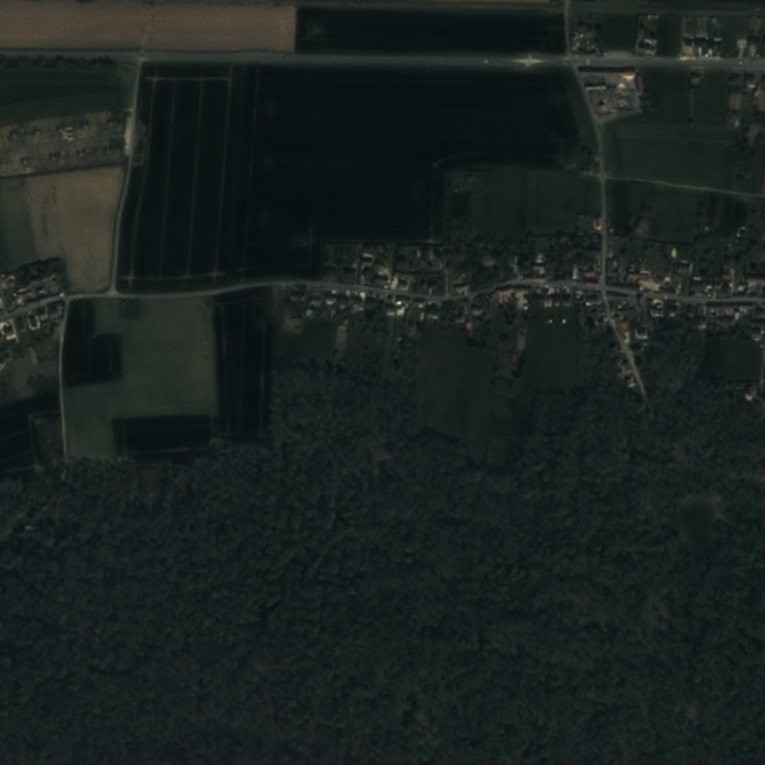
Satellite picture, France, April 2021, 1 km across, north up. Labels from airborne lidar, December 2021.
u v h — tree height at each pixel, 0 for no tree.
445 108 0
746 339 7
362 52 0
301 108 0
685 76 0
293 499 22
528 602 19
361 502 32
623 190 0
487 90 0
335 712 15
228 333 0
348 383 24
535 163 0
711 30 0
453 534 32
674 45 0
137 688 29
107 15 0
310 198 0
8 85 0
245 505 30
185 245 0
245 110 0
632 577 33
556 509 27
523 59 0
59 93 0
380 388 19
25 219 0
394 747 22
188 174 0
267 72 0
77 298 0
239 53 0
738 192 0
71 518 26
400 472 36
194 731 20
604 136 0
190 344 0
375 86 0
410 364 19
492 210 0
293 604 25
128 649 24
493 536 23
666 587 24
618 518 20
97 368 0
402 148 0
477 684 29
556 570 29
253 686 17
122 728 20
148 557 27
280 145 0
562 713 25
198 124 0
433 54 0
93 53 0
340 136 0
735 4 0
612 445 31
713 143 0
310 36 0
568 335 0
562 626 26
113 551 32
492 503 32
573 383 0
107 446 0
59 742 20
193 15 0
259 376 0
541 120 0
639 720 31
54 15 0
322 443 31
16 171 0
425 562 24
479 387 0
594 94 0
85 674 26
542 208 0
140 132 0
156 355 0
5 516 31
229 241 0
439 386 0
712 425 29
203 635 23
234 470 29
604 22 0
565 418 22
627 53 0
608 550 25
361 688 32
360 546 33
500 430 0
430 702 30
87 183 0
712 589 33
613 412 27
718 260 0
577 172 0
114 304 0
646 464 31
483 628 21
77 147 0
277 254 0
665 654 31
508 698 30
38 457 0
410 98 0
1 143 0
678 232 0
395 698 24
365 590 28
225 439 0
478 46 0
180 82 0
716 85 0
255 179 0
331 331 0
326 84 0
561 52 0
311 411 31
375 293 0
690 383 16
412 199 0
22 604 35
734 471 32
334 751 12
